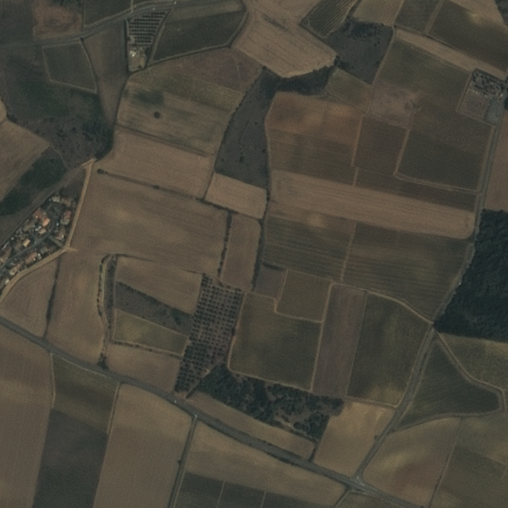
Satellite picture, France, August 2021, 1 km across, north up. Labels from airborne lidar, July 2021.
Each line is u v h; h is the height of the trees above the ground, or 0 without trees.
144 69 0
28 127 0
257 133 0
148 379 0
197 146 0
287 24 0
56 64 0
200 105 0
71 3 0
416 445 0
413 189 0
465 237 0
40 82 0
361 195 0
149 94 0
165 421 0
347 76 0
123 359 0
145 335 0
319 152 0
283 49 0
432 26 0
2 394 0
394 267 0
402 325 0
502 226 18
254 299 0
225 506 0
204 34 0
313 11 0
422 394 0
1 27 0
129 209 0
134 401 0
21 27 0
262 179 0
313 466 0
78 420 0
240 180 0
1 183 0
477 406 0
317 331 0
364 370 0
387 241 0
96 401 0
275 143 0
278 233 0
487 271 10
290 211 0
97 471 0
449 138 0
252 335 0
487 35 0
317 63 0
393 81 0
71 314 0
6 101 0
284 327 0
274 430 0
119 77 0
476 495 0
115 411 0
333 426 0
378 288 0
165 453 0
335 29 0
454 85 0
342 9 0
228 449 0
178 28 0
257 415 15
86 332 0
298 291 0
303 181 0
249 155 0
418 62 0
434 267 0
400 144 0
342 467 0
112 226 0
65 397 0
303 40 0
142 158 0
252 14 0
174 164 0
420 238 0
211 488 0
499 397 0
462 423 0
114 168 0
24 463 0
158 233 0
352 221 0
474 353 0
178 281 0
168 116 0
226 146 0
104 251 0
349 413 0
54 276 0
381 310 0
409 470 0
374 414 0
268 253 0
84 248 0
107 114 0
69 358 0
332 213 0
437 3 0
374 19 0
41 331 0
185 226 0
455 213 0
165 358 0
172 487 0
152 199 0
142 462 0
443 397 0
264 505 0
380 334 0
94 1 0
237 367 0
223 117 0
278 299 0
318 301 0
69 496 0
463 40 0
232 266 0
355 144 0
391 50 0
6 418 0
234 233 0
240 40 0
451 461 0
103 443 0
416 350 0
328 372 0
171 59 0
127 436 0
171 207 0
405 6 0
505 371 0
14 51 0
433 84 0
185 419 0
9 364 0
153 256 0
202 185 0
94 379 0
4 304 0
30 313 0
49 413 0
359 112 0
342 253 0
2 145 0
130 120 0
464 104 0
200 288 0
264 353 0
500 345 0
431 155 0
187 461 0
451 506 0
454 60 0
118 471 0
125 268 0
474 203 0
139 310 0
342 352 0
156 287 0
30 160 0
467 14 0
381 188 0
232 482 0
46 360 0
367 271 0
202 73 0
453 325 13
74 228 0
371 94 0
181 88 0
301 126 0
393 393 0
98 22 0
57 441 0
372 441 0
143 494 0
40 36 0
